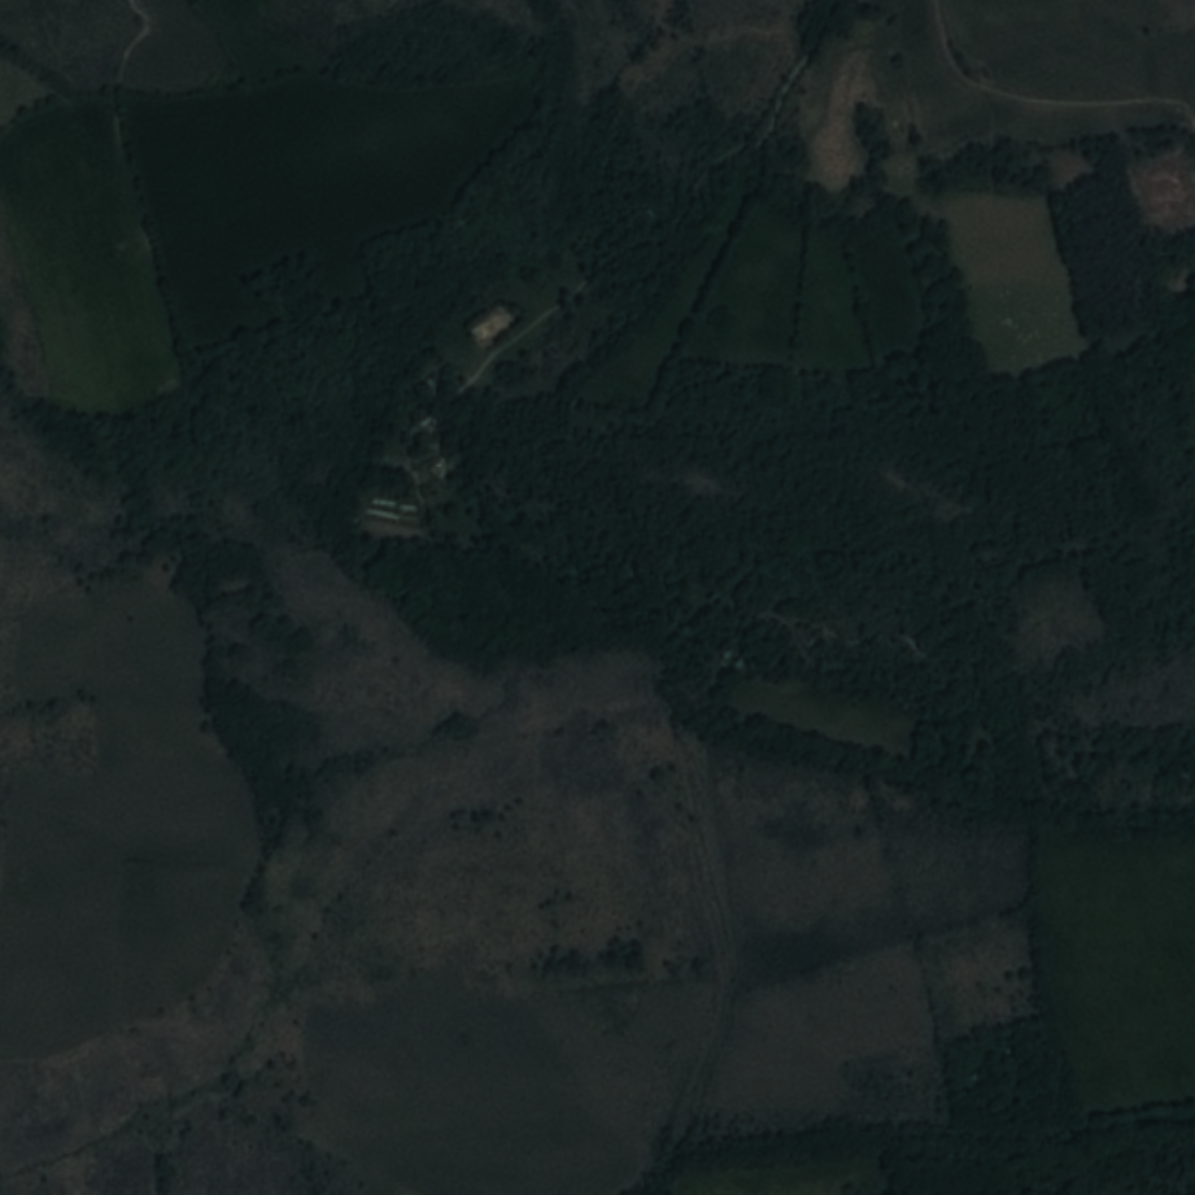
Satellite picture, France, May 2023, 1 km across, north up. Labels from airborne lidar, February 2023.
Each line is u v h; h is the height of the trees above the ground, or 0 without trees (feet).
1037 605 0
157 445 17
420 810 0
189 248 0
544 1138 0
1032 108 0
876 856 0
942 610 27
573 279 0
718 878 0
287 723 27
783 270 0
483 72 29
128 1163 0
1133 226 67
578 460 29
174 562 26
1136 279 65
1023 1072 45
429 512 24
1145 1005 0
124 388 0
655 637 42
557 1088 0
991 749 39
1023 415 48
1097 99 0
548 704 0
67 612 0
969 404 43
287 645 43
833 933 0
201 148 0
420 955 0
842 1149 48
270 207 0
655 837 0
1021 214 0
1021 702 47
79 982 0
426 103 0
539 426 38
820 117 0
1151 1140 39
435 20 30
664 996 0
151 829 0
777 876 0
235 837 0
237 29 0
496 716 0
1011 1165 60
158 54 0
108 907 0
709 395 18
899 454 41
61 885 0
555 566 35
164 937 0
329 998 0
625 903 0
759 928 0
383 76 40
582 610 54
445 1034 0
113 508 0
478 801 0
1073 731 27
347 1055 0
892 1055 0
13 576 0
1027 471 43
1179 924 0
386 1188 0
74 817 0
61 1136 0
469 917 0
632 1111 0
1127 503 42
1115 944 0
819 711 0
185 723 0
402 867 0
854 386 46
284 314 24
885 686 24
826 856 0
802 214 33
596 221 36
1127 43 0
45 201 0
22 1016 0
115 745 0
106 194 0
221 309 0
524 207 27
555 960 19
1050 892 0
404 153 0
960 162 35
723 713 36
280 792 39
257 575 45
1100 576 52
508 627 53
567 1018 0
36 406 40
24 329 0
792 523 22
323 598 0
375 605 0
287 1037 0
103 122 0
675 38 28
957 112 0
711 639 39
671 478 26
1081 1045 0
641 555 48
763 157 24
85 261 0
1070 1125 46
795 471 30
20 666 0
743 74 0
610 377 0
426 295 43
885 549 45
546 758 0
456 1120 0
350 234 0
